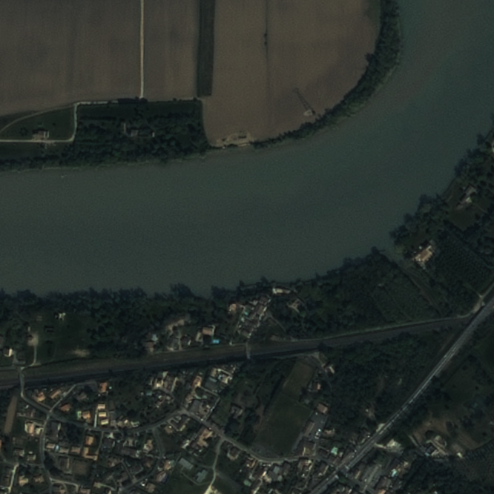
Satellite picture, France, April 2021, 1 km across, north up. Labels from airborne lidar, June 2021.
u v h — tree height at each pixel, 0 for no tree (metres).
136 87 0
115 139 8
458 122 0
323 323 10
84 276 0
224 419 12
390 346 18
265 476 0
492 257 12
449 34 0
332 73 0
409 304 16
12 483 0
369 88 10
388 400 14
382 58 16
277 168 0
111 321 11
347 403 17
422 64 0
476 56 0
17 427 0
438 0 0
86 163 15
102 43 0
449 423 0
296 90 0
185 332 0
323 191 0
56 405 0
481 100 0
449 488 17
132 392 8
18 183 0
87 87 0
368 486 0
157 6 0
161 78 0
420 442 0
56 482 0
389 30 28
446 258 20
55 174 0
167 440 0
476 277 19
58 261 0
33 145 0
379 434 0
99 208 0
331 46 0
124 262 0
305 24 0
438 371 0
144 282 0
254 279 0
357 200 0
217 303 24
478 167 8
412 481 12
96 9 0
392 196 0
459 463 24
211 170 0
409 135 0
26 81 0
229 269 0
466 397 0
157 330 9
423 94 0
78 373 0
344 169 0
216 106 0
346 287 24
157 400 9
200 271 0
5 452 9
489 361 0
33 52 0
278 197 0
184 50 0
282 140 10
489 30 0
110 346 21
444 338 14
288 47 0
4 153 0
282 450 0
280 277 0
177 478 0
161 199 0
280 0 0
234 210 0
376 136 0
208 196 0
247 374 11
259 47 0
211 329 0
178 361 0
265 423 0
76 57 0
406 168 0
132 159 19
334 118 15
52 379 0
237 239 0
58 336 0
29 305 11
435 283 8
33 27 0
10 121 0
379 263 22
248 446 14
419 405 19
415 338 14
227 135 0
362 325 24
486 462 23
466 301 20
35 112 0
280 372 8
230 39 0
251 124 0
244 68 0
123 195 0
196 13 0
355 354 24
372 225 0
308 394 17
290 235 0
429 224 16
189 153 15
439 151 0
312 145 0
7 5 0
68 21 0
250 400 17
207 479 0
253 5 0
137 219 0
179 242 0
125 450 0
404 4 0
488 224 13
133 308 15
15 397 0
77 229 0
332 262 0
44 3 0
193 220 0
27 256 0
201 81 0
